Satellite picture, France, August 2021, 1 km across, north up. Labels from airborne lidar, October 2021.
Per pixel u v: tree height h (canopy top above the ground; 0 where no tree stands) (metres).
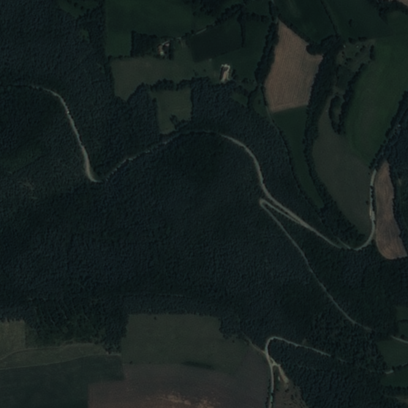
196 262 19
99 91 14
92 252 17
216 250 18
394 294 19
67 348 0
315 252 20
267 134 14
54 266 17
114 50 0
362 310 23
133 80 0
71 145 15
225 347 0
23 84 16
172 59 13
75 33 13
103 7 14
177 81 0
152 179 14
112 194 16
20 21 13
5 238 16
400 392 17
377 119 0
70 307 8
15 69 17
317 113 15
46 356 0
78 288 18
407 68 0
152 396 0
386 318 21
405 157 16
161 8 0
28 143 11
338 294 16
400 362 0
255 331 14
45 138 17
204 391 0
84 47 16
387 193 0
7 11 20
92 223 16
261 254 11
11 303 9
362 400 17
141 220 16
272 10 17
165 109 0
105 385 0
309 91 0
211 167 28
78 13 0
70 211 23
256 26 0
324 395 16
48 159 15
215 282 17
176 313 9
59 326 14
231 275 19
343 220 12
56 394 0
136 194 19
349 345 17
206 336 0
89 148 10
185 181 18
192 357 0
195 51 0
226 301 16
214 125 15
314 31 0
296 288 21
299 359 14
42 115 27
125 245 19
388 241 0
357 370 22
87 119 15
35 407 0
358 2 0
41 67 17
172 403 0
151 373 0
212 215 14
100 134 18
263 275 11
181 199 14
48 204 18
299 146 0
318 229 17
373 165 14
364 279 21
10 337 0
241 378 0
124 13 0
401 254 0
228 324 12
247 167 10
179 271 17
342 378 17
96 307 14
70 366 0
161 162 17
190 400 0
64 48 19
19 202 14
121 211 22
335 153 0
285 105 0
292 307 23
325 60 14
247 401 0
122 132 15
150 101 15
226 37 0
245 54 0
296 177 16
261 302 17
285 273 13
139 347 0
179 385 0
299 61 0
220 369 0
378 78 0
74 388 0
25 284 15
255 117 15
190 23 0
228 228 15
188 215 13
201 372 0
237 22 0
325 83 25
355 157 0
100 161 18
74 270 18
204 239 12
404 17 0
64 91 18
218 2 23
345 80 0
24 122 24
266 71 17
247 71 0
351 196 0
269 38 15
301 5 0
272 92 0
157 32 0
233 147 15
